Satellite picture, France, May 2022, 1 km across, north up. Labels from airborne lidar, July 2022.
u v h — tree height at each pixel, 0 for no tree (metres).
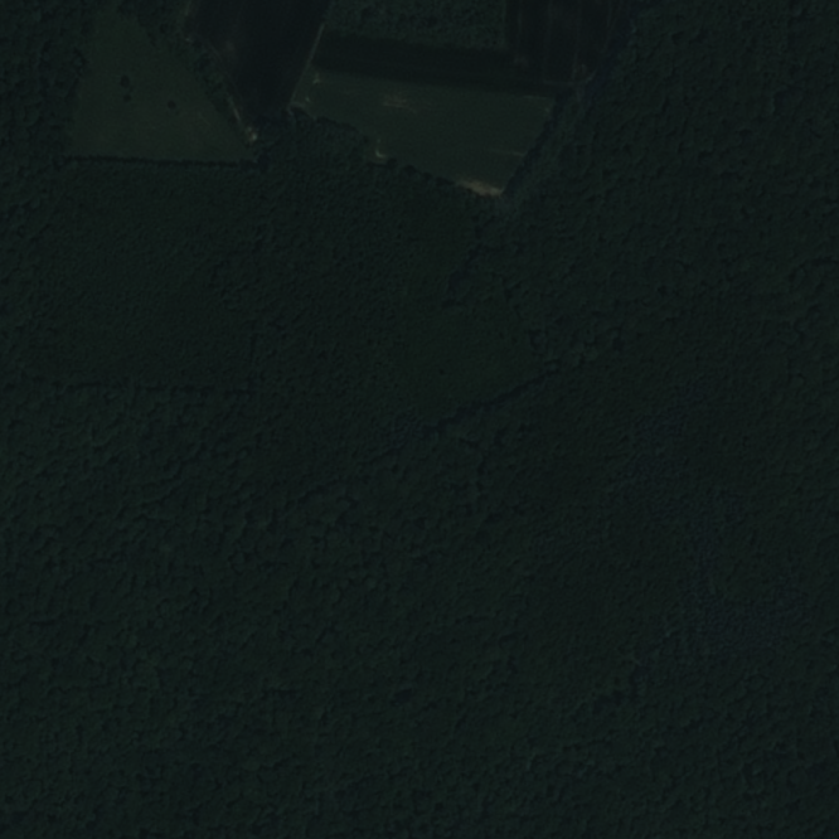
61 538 29
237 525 31
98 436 26
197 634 27
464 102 0
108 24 0
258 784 33
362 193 19
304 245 23
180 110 22
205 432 20
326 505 29
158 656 25
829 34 30
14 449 29
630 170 21
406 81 0
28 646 27
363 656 25
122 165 14
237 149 0
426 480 28
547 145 20
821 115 27
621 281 24
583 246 19
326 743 25
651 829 26
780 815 25
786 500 27
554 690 22
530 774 27
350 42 0
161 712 23
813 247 27
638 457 20
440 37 25
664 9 26
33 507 26
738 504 25
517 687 25
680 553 19
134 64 0
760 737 29
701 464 21
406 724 24
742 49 28
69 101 33
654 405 23
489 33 22
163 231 14
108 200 17
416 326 11
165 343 12
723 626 22
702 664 20
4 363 29
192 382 14
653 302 30
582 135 29
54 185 32
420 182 16
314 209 20
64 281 19
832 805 30
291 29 0
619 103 29
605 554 23
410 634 30
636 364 25
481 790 23
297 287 23
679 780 26
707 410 21
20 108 26
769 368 31
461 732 27
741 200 32
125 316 19
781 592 26
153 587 24
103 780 24
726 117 28
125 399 23
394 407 17
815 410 25
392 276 18
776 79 17
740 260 31
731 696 24
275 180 23
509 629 24
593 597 23
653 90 28
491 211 23
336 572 30
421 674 27
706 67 31
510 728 26
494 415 31
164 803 28
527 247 31
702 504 24
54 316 24
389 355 11
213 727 26
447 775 27
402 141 0
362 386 20
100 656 26
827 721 25
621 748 26
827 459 24
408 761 22
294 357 27
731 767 27
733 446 22
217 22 0
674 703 26
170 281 17
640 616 22
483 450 30
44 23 32
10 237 31
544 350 31
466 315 11
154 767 28
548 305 23
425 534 27
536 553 21
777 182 28
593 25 0
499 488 32
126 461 26
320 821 29
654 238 27
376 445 20
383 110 0
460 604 25
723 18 30
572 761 13
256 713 24
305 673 27
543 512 23
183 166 14
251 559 27
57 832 27
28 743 24
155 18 31
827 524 30
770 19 16
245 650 29
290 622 27
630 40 23
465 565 21
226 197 15
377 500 31
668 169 24
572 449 29
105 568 28
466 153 0
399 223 10
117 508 23
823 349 25
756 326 26
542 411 27
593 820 29
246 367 13
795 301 26
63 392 22
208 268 13
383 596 22
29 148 27
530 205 27
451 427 27
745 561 23
